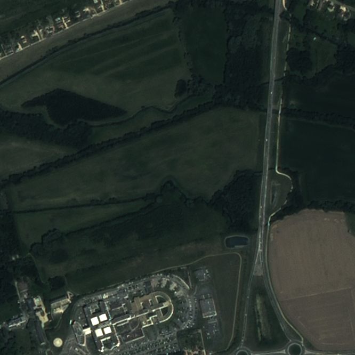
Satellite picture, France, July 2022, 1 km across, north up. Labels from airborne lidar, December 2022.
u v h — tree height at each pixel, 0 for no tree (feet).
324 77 52
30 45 0
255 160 0
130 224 31
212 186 0
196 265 0
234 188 60
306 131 0
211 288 0
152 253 0
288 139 0
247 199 61
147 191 0
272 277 0
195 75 33
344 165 0
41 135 90
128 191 0
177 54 0
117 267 0
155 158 0
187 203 42
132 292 0
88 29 0
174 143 0
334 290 0
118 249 0
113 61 0
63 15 35
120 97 0
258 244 0
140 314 0
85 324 0
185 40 46
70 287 0
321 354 0
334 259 0
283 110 39
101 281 0
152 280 0
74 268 0
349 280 0
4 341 71
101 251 0
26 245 0
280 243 0
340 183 0
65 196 0
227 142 0
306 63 74
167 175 0
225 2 84
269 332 0
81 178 0
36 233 0
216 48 0
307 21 56
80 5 22
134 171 0
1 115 71
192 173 0
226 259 0
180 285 0
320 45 0
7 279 110
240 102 76
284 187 0
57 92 38
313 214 0
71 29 0
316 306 0
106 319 0
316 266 0
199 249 0
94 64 0
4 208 0
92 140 0
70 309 33
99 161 0
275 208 0
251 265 0
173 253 0
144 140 0
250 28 88
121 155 0
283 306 0
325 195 0
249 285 0
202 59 0
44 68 0
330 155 0
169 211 28
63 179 0
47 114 0
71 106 46
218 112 0
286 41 0
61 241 30
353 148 0
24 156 0
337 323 0
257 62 36
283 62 0
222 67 0
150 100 0
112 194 0
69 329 0
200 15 0
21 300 0
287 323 0
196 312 0
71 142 87
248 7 71
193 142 0
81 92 0
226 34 0
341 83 0
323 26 0
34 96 0
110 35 0
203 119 0
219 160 0
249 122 0
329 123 46
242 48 64
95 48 0
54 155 0
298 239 0
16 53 0
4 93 0
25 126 94
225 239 0
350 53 88
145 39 0
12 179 59
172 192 30
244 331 0
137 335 0
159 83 0
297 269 0
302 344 0
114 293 0
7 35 32
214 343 0
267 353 0
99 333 0
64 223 0
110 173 0
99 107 33
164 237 0
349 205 59
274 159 0
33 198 0
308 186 0
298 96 0
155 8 24
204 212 0
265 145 0
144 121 0
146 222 30
